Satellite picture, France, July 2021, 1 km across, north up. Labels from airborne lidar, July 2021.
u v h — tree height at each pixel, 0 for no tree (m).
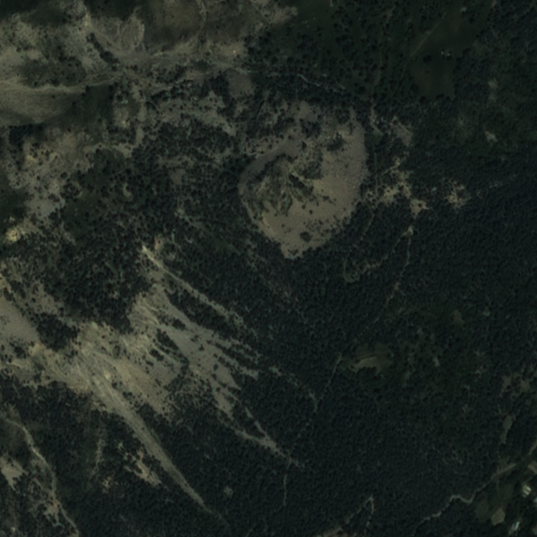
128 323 8
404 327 11
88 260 10
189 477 8
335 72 12
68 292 10
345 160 0
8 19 0
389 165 9
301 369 13
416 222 5
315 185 0
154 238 12
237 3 0
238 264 9
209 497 12
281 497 16
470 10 7
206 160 12
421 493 15
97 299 12
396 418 8
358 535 7
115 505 11
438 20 6
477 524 11
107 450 11
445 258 10
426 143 7
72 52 0
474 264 13
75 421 8
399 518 12
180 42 0
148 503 9
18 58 0
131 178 15
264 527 12
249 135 13
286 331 9
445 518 15
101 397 0
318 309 13
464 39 0
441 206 7
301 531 15
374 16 9
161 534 12
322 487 14
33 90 0
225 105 6
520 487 15
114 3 0
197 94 6
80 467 5
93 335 0
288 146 0
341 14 15
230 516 7
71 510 7
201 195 16
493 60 8
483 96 12
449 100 13
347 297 13
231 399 7
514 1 12
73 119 0
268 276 15
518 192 14
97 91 0
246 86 0
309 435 12
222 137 7
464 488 7
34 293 6
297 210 0
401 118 11
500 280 16
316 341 12
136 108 0
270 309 9
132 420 0
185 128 18
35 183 0
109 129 8
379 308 9
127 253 12
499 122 11
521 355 10
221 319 13
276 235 0
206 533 13
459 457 8
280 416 12
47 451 7
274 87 13
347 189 0
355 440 13
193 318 8
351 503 12
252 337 7
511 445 7
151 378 0
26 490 8
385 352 0
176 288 8
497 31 8
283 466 11
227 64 0
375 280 15
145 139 7
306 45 14
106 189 6
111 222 9
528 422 10
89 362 0
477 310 8
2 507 6
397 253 13
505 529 9
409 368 7
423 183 6
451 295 11
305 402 16
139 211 7
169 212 13
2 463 0
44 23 0
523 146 10
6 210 0
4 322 0
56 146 0
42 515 8
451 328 11
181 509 7
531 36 11
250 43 12
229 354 8
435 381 6
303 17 0
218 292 9
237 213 9
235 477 7
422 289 13
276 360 10
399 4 19
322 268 17
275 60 9
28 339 0
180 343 0
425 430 6
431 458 15
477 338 8
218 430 5
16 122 0
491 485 7
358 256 11
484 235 15
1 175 0
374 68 11
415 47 0
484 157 9
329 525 13
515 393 6
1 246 0
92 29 0
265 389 7
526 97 8
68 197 8
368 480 12
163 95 7
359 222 12
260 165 0
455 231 11
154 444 0
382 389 7
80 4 0
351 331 13
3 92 0
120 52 0
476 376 8
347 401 16
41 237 9
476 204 10
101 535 11
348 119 10
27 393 11
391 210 12
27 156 0
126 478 13
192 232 9
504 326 9
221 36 0
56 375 0
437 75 0
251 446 6
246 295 8
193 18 0
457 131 6
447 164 14
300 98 7
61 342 7
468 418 5
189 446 15
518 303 11
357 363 6
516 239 15
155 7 0
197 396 7
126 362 0
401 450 14
